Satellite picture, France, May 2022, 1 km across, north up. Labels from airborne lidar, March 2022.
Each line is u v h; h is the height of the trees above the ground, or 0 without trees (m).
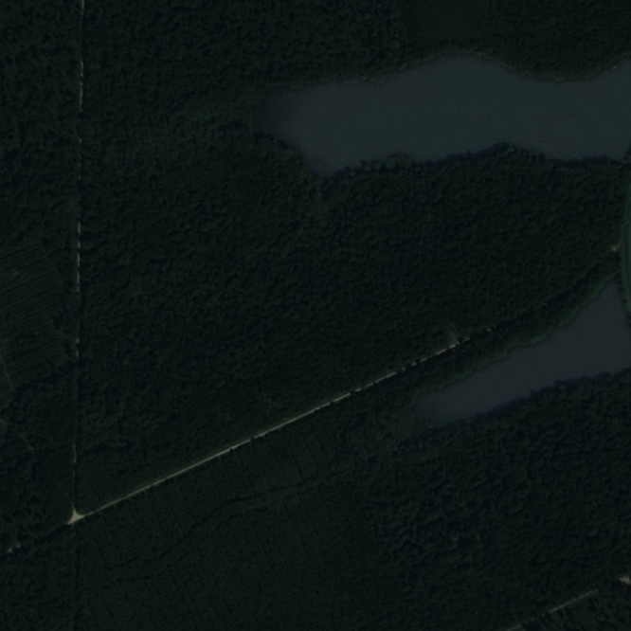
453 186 26
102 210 27
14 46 16
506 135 0
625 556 27
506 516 28
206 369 26
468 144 0
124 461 19
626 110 0
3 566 24
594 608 0
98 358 24
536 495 30
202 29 22
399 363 19
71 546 24
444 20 0
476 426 21
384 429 22
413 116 0
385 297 24
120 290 22
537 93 0
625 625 27
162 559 13
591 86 0
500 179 26
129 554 13
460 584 27
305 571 0
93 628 15
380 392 18
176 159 24
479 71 0
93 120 22
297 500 13
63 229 27
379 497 25
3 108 23
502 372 0
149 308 25
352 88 0
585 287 21
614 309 0
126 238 22
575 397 27
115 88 23
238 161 22
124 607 16
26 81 25
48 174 23
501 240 27
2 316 0
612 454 27
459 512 33
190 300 25
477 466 28
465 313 24
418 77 0
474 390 0
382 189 24
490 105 0
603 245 23
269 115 0
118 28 23
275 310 27
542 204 26
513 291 19
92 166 25
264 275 25
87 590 16
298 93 0
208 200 21
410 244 21
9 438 12
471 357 22
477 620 25
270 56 22
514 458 27
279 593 10
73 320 21
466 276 26
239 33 21
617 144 0
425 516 30
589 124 0
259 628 13
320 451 0
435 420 0
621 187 25
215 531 12
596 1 22
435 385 17
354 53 24
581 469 29
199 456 13
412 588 24
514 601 24
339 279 25
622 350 0
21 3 24
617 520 26
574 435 23
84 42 15
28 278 0
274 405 17
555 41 17
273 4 18
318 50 23
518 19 16
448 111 0
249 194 24
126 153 25
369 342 20
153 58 17
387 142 0
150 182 21
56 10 21
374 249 25
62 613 23
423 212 28
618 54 13
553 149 0
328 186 11
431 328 21
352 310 21
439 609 25
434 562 29
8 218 26
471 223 27
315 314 25
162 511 12
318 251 25
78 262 0
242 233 27
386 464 25
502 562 27
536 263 25
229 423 19
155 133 27
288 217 23
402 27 20
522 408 24
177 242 20
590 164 19
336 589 11
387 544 26
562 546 29
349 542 12
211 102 21
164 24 13
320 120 0
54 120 26
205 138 25
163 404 22
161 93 22
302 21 22
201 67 23
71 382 28
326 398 7
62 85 21
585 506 29
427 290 27
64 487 16
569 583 17
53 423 26
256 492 20
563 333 0
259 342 24
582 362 0
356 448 28
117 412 23
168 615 12
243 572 17
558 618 0
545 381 0
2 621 27
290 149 21
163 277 26
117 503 0
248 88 22
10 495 15
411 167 6
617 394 25
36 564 23
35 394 28
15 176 21
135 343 26
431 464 28
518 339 19
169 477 0
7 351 0
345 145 0
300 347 20
